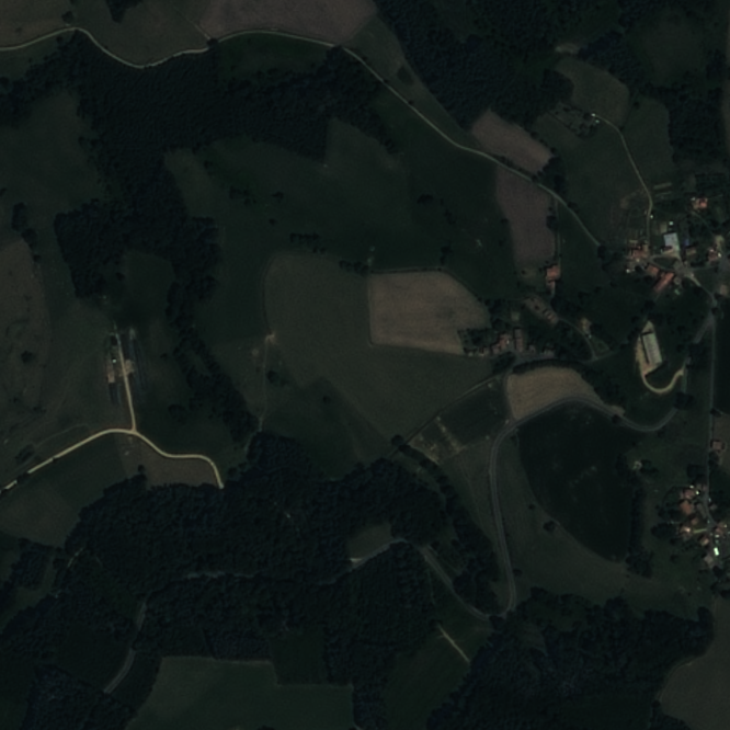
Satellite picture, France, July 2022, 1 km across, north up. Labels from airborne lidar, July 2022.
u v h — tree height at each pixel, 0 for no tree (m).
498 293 0
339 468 0
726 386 0
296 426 0
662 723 9
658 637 19
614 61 30
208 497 37
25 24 0
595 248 0
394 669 24
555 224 13
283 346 0
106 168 9
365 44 0
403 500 27
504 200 0
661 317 17
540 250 0
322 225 0
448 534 0
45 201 0
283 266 0
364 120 27
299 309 0
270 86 8
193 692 0
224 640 27
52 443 0
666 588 0
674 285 9
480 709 30
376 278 0
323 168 0
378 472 21
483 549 25
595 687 23
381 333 0
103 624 18
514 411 0
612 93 0
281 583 33
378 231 0
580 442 0
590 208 0
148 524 26
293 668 0
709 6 9
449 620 0
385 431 0
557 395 0
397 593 7
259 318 0
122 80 6
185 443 0
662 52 0
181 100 8
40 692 25
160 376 0
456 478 0
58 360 0
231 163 0
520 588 0
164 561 24
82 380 0
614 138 0
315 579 29
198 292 22
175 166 0
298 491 21
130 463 0
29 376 0
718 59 7
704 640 25
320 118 8
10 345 0
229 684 0
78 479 0
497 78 29
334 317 0
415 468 0
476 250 0
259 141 9
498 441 0
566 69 0
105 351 0
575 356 10
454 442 0
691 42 0
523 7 20
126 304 0
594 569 0
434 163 0
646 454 0
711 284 0
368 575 6
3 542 0
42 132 0
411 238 0
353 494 31
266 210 0
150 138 10
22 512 0
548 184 0
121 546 26
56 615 21
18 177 0
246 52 0
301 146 6
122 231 26
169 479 0
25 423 0
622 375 0
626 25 24
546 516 0
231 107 10
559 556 0
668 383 0
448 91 31
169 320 7
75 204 0
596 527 0
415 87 0
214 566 23
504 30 16
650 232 0
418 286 0
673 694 0
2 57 0
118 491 15
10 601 24
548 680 23
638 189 0
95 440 0
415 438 0
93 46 9
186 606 23
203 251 19
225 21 0
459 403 0
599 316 0
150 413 0
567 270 0
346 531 22
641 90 13
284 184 0
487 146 0
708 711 0
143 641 22
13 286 0
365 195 0
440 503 14
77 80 24
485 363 0
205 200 0
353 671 19
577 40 0
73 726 25
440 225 0
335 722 0
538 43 16
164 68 10
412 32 33
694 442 0
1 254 0
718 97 17
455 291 0
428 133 0
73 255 20
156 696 0
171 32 0
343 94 32
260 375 0
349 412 0
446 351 0
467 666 0
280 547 24
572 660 35
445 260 10
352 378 0
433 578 6
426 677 0
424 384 0
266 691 0
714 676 0
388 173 0
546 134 0
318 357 0
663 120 0
